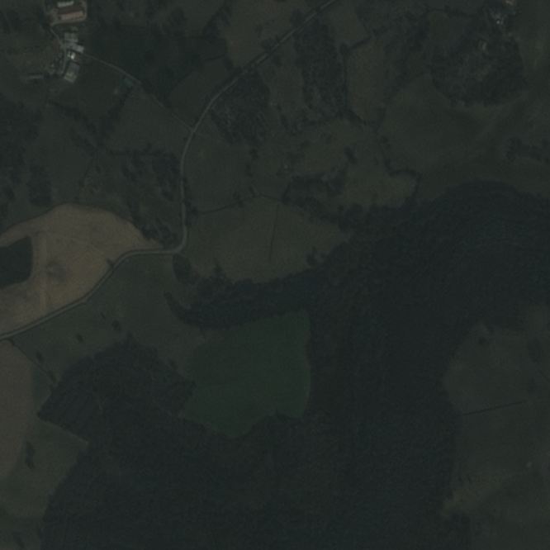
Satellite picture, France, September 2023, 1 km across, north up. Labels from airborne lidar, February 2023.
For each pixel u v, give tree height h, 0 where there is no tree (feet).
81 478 45
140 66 0
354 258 71
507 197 46
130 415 83
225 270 0
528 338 0
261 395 0
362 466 48
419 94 0
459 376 0
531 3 0
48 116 0
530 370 0
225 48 0
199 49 0
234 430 0
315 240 0
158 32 75
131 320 0
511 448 0
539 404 0
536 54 0
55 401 29
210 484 73
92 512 37
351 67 0
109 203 0
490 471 0
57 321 0
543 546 0
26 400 0
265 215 0
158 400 37
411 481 64
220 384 0
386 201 0
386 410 31
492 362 0
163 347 0
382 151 0
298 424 32
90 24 0
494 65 23
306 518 53
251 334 0
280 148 0
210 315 78
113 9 0
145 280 0
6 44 0
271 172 0
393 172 40
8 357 0
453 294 30
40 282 0
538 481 0
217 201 0
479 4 0
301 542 73
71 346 0
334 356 19
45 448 0
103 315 30
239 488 45
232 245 0
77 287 0
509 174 0
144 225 0
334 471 58
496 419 0
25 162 46
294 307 72
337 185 60
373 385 65
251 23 0
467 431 0
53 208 0
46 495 0
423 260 83
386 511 23
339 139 0
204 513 53
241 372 0
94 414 37
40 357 49
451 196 59
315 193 0
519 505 0
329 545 65
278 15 0
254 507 36
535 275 62
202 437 43
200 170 0
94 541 33
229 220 0
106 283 0
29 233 0
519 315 38
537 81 0
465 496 0
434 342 21
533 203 55
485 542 0
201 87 0
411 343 41
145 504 62
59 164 0
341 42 0
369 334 62
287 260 0
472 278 32
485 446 0
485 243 38
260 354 0
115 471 0
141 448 67
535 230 39
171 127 0
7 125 0
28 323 0
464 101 53
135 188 0
